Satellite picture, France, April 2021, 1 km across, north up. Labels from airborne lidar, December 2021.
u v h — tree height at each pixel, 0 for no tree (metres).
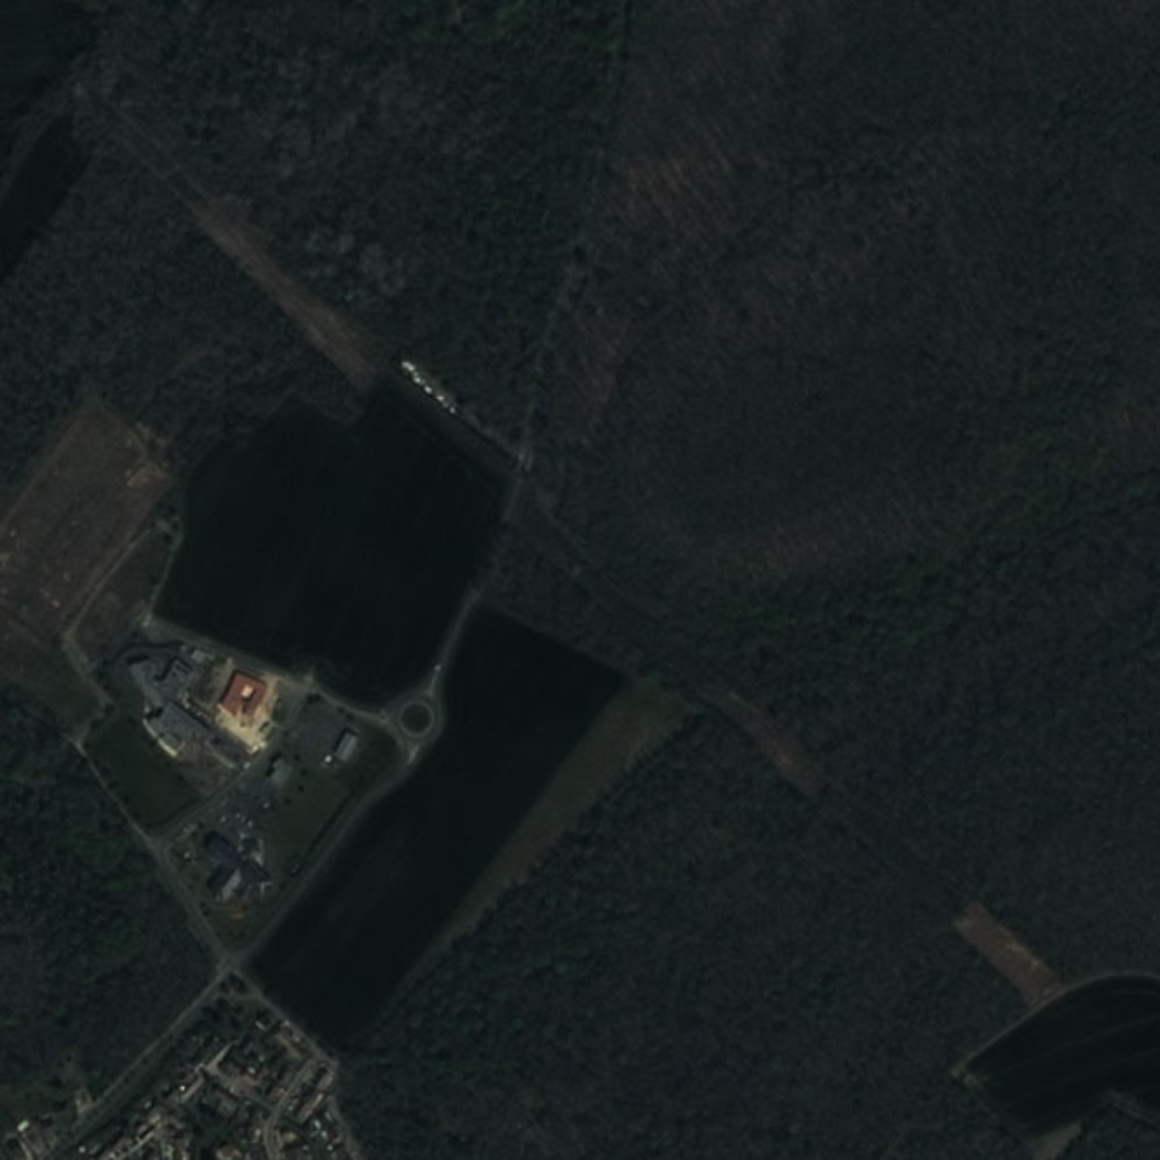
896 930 20
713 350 21
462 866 0
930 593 23
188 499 0
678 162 25
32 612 0
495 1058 23
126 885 23
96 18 13
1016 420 20
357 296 12
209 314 23
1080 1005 0
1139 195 20
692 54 22
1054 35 17
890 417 16
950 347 17
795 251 17
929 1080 11
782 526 18
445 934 0
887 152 14
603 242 21
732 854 22
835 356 17
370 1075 17
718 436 18
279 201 7
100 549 0
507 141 26
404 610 0
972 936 0
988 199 17
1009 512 22
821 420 17
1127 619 17
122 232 18
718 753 24
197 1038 9
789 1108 22
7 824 12
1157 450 21
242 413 6
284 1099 0
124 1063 14
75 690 0
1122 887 16
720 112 28
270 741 0
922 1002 16
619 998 23
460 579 0
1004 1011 20
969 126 16
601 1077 21
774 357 19
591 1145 24
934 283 19
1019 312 16
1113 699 18
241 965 0
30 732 22
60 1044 19
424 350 29
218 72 17
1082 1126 0
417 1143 19
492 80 28
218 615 0
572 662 0
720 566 18
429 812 0
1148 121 18
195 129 6
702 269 27
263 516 0
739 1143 21
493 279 25
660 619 7
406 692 0
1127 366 16
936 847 17
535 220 28
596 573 6
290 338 16
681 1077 17
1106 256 20
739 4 26
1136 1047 0
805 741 19
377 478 0
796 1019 18
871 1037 14
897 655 24
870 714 22
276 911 0
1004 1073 0
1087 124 18
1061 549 21
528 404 23
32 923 16
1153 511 19
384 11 26
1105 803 16
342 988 0
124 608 0
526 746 0
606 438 25
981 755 18
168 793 0
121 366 7
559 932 22
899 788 17
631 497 19
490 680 0
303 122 33
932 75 18
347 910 0
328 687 0
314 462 0
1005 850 18
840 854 20
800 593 19
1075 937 17
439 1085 26
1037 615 25
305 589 0
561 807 0
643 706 0
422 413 0
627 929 24
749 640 21
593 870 20
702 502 15
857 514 19
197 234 8
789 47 23
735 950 19
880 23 20
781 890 19
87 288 7
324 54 34
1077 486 19
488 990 18
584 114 24
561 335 27
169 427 9
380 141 23
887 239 19
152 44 24
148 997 20
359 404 20
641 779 17
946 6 20
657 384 23
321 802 0
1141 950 19
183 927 20
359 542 0
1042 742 19
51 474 0
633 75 22
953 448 15
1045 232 19
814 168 23
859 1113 23
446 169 27
